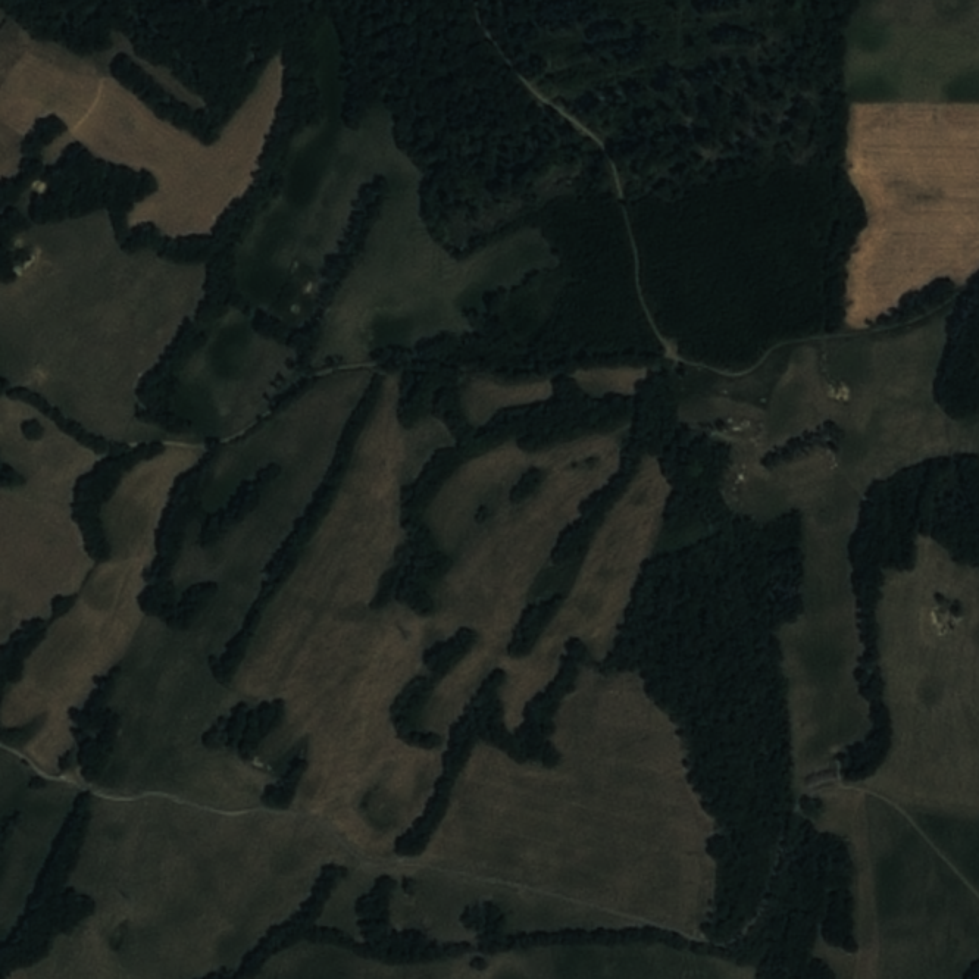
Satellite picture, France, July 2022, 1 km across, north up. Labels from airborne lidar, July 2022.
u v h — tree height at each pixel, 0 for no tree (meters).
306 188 0
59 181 18
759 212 6
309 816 0
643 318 10
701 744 15
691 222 7
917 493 8
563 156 8
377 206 16
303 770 16
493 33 23
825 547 0
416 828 13
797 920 19
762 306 9
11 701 0
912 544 16
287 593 0
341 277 18
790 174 5
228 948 0
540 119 28
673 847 0
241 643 12
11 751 0
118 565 0
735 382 0
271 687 0
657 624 18
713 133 27
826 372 0
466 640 14
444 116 20
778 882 17
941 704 0
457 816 0
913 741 0
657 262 7
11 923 0
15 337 0
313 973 0
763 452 0
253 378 0
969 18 0
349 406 0
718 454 17
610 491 15
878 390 0
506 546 0
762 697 18
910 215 0
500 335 22
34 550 0
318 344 12
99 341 0
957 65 0
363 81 21
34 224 9
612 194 11
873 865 0
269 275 0
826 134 20
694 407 0
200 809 0
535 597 0
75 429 18
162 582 19
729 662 16
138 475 0
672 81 29
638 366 15
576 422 16
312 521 14
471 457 6
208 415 0
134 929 0
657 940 16
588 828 0
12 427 0
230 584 0
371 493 0
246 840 0
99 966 0
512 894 0
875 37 0
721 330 7
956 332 20
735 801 20
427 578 14
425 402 12
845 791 0
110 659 0
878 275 0
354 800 0
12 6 11
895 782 0
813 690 0
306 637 0
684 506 16
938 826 0
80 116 0
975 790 0
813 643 0
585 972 0
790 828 15
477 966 14
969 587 0
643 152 31
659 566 17
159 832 0
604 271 8
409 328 0
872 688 17
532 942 16
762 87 29
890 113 0
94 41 16
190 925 0
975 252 0
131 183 21
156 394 19
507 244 0
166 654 0
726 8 20
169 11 21
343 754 0
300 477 0
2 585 0
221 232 17
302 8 24
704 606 17
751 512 0
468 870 0
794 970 21
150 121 0
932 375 0
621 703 0
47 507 0
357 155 0
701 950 14
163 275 0
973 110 0
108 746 12
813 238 10
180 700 0
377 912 21
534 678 0
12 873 0
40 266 0
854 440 0
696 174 18
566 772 0
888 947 0
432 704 0
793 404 0
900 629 0
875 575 22
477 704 15
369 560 0
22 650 23
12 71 0
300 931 17
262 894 0
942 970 0
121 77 18
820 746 0
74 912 19
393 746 0
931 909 0
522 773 0
